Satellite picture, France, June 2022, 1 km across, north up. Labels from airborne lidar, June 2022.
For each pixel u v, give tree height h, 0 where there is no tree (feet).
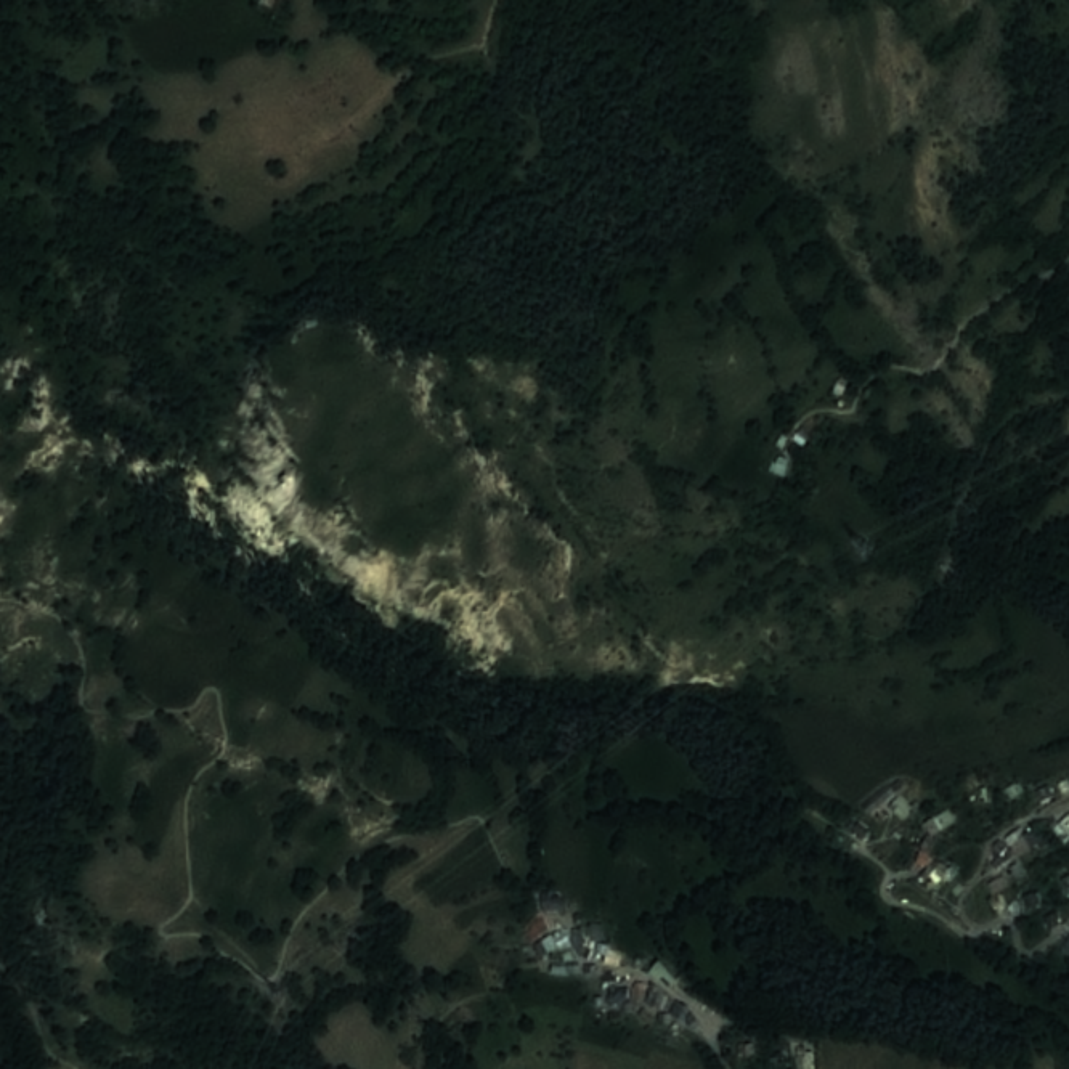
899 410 0
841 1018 102
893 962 68
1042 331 49
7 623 0
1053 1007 43
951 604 68
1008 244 46
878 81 0
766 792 103
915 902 0
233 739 0
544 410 43
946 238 0
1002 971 49
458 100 71
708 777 58
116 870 0
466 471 0
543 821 74
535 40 68
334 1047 0
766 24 26
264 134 0
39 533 0
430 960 0
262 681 0
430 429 0
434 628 44
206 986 64
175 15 0
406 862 46
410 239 34
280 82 0
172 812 0
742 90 29
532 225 45
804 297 20
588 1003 39
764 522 35
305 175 0
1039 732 0
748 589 31
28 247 56
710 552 26
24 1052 68
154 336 78
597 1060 0
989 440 19
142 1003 44
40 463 0
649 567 0
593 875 0
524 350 24
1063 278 49
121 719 30
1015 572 76
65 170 73
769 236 51
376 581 0
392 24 65
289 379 0
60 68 21
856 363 39
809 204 29
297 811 46
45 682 0
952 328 33
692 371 0
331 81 0
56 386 0
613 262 63
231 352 58
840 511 0
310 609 63
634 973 0
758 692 28
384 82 0
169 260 71
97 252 56
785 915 70
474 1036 68
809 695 0
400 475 0
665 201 42
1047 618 53
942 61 25
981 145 47
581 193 72
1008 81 23
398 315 56
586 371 54
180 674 0
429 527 0
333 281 97
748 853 109
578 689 75
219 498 38
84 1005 40
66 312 54
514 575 0
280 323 54
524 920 27
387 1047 0
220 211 42
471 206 87
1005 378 49
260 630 0
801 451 39
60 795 73
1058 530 70
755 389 0
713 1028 0
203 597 0
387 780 39
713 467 0
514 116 57
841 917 0
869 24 0
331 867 0
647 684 40
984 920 0
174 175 61
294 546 18
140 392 63
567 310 87
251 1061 61
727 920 93
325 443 0
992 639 0
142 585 53
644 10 34
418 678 34
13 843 55
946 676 43
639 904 0
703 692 55
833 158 0
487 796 0
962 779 32
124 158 86
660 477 40
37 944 36
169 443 38
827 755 0
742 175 80
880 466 0
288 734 0
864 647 21
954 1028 105
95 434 31
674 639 0
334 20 63
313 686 0
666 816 83
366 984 22
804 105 0
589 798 55
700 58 23
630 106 49
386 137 47
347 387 0
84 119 39
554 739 44
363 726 49
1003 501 53
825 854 44
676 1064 0
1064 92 79
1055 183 34
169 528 61
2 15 73
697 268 0
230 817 0
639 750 0
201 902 0
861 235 47
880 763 0
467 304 65
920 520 44
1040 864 21
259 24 0
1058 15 31
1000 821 29
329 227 45
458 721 45
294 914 0
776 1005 72
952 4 0
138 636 0
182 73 0
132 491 42
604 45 60
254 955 0
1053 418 78
